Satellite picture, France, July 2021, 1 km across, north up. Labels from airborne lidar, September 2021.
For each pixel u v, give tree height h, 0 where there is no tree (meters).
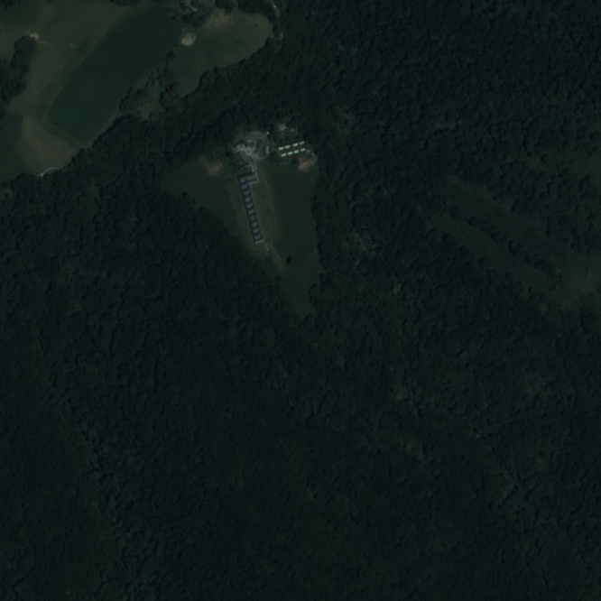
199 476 20
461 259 21
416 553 25
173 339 26
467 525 25
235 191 0
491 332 16
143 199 19
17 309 20
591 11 15
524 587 25
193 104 20
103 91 0
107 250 24
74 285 16
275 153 13
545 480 19
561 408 21
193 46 0
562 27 18
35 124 0
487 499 31
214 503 21
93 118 0
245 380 26
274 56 15
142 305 25
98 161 14
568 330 13
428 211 6
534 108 10
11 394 24
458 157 16
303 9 20
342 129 7
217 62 0
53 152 0
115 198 12
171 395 21
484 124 13
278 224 0
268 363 24
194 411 17
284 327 25
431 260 19
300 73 14
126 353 25
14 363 21
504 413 19
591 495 29
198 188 0
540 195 8
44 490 30
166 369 24
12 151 0
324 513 27
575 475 25
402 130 26
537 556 25
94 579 26
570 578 28
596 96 22
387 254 17
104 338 26
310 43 13
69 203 28
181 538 24
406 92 17
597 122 14
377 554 31
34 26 0
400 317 12
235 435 25
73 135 0
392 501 28
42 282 24
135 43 0
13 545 28
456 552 24
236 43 0
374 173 14
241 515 21
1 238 22
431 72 13
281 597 21
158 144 16
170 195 19
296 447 25
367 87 21
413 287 26
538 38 28
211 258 21
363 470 30
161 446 23
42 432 30
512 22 29
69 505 27
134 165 21
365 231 22
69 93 0
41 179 9
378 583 26
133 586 30
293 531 28
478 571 30
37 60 0
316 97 26
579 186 12
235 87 9
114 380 11
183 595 23
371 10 27
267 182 0
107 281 26
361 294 16
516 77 17
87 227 28
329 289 24
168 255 22
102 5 0
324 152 17
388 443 29
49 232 21
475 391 10
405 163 9
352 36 12
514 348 21
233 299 23
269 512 25
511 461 31
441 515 35
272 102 12
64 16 0
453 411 23
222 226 11
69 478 33
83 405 27
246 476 25
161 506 29
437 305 21
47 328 24
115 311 21
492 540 27
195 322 22
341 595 28
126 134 25
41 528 28
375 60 20
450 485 34
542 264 20
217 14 0
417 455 23
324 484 27
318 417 29
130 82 0
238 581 13
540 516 22
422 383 21
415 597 27
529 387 6
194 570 29
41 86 0
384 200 22
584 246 14
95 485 27
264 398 30
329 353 17
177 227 19
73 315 16
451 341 16
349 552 25
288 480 25
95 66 0
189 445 21
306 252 0
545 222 11
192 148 18
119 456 26
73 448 28
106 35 0
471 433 26
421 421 33
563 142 18
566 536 16
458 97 13
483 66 21
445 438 32
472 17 26
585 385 15
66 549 24
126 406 23
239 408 22
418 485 30
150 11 0
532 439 22
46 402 25
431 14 25
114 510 26
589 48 22
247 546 20
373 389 21
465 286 14
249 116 15
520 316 16
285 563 26
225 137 23
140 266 23
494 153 15
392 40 20
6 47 0
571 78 26
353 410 27
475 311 18
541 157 15
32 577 24
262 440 24
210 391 21
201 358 24
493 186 14
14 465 24
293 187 0
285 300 8
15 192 25
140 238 28
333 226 11
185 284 22
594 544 18
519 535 29
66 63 0
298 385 25
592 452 20
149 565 28
